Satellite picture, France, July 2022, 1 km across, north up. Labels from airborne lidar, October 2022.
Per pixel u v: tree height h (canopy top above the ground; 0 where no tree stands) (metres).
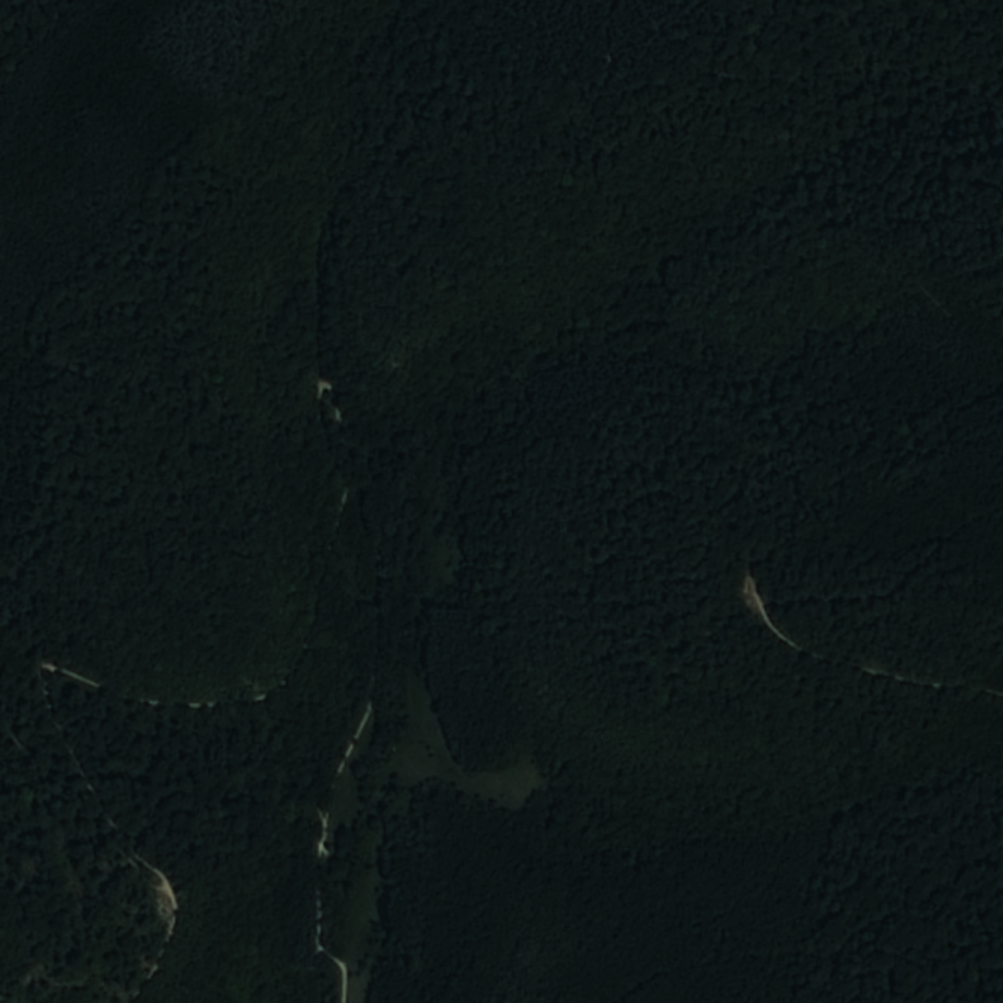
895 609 21
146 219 21
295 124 21
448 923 13
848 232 24
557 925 13
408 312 19
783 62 26
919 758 13
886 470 21
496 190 21
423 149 24
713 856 23
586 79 21
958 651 21
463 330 15
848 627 17
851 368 30
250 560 17
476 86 23
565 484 17
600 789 19
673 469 26
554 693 11
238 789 26
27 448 14
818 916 17
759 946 24
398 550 26
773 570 15
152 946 16
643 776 18
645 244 19
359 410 22
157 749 27
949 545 24
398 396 22
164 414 23
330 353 19
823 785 19
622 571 16
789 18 22
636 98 18
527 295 13
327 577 19
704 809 17
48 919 17
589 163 26
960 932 26
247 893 28
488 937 15
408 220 20
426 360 17
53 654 12
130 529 20
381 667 16
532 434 25
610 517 16
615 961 17
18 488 8
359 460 27
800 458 22
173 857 24
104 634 15
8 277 18
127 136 18
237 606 16
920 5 28
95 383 20
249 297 18
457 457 14
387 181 24
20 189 21
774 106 23
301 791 22
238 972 19
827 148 18
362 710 19
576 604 21
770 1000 18
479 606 18
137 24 22
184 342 21
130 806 19
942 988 24
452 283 18
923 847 28
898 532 16
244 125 21
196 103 16
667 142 23
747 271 26
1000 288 19
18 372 11
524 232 22
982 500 15
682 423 23
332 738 19
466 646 18
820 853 13
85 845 24
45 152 17
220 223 20
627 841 13
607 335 24
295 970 7
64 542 15
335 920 10
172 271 23
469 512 18
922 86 28
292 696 20
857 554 21
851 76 22
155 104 15
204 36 26
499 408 20
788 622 19
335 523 19
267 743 16
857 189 29
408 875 19
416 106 25
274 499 23
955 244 19
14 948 8
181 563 22
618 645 24
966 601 22
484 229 21
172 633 19
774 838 16
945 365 20
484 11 28
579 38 24
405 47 24
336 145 25
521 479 21
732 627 18
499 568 23
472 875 14
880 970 29
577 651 16
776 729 22
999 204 27
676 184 24
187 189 25
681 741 16
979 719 14
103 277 25
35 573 21
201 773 29
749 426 25
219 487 16
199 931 18
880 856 26
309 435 29
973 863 20
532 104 26
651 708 18
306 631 17
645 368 23
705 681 22
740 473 24
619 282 14
